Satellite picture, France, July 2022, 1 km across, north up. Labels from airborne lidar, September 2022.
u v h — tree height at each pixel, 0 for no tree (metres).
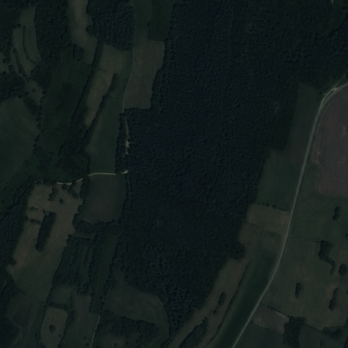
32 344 0
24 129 0
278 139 13
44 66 6
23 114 0
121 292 0
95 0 20
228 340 0
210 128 34
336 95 0
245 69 20
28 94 18
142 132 28
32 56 0
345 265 12
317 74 19
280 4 25
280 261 0
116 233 13
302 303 0
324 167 0
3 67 0
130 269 17
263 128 18
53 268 0
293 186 0
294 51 14
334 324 0
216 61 38
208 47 28
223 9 24
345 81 0
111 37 22
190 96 23
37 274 0
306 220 0
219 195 35
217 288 0
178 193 37
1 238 37
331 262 10
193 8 25
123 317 5
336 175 0
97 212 0
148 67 0
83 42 0
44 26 18
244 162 24
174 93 25
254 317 0
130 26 39
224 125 27
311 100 0
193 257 23
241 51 25
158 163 30
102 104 11
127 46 35
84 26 0
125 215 18
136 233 18
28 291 0
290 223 0
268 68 26
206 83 35
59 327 0
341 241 0
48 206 0
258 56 29
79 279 11
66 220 0
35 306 0
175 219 23
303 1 27
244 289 0
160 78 20
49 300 8
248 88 22
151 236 20
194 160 33
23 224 20
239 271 0
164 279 22
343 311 0
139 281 17
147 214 20
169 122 25
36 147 10
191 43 22
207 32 22
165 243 18
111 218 0
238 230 16
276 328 0
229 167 24
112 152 0
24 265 0
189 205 21
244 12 19
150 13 0
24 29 8
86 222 15
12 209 33
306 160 0
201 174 29
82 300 0
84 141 17
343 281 0
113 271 19
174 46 25
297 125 0
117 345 8
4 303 21
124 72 0
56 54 21
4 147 0
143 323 22
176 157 34
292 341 15
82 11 0
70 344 0
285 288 0
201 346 0
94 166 0
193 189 38
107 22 41
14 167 0
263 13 25
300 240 0
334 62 17
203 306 15
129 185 15
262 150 22
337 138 0
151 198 22
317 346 0
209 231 22
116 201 0
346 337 0
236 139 21
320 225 0
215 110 28
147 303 0
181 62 24
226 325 0
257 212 0
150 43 0
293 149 0
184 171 23
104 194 0
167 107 23
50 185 11
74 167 21
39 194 0
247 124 21
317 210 0
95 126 10
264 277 0
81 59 16
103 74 0
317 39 27
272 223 0
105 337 0
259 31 27
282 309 0
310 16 18
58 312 0
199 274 23
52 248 0
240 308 0
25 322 0
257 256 0
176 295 30
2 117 0
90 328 0
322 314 0
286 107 9
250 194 23
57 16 28
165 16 0
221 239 23
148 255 21
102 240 20
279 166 0
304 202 0
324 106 0
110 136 0
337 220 15
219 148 26
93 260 7
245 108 22
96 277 18
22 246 0
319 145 0
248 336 0
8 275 14
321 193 0
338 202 0
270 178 0
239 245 24
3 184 0
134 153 27
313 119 0
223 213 26
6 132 0
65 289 0
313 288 0
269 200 0
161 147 32
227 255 21
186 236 23
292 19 25
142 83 0
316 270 0
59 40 21
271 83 31
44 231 20
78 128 12
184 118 24
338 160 0
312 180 0
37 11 12
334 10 22
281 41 28
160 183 20
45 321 0
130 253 19
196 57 26
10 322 8
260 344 0
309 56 25
